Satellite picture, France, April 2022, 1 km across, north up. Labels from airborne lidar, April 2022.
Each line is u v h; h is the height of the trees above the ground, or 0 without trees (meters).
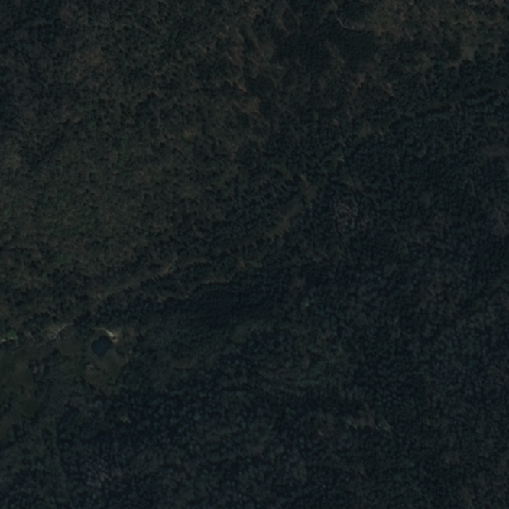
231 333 17
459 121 24
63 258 16
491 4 26
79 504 23
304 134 29
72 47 7
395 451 32
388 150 27
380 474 30
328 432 12
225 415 20
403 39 28
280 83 19
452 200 26
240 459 14
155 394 16
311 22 26
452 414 21
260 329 17
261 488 22
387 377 22
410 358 22
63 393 24
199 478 9
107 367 0
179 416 10
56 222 9
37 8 15
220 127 31
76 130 26
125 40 19
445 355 24
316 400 8
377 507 27
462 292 28
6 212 18
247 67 24
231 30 14
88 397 7
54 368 14
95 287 7
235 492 25
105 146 27
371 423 26
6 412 9
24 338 25
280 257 23
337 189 32
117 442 18
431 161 25
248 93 22
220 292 17
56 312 7
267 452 15
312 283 18
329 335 31
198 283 30
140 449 25
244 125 22
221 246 27
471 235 20
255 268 25
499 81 32
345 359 26
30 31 19
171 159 27
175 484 26
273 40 19
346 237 7
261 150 20
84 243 22
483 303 20
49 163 20
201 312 19
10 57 30
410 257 22
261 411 29
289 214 27
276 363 7
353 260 22
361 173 31
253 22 21
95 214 25
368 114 23
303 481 27
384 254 26
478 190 20
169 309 20
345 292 23
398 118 36
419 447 31
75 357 0
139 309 29
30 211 23
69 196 21
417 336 27
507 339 17
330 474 23
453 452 24
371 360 23
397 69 24
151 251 26
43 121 18
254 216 28
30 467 16
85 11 19
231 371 29
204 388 9
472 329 26
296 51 24
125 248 25
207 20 17
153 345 13
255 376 7
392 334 26
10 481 24
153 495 24
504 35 24
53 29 23
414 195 25
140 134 22
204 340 11
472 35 18
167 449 22
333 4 6
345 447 30
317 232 33
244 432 32
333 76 27
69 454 31
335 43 17
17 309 18
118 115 18
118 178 19
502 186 25
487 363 19
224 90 26
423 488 28
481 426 25
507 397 23
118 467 25
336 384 12
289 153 32
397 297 27
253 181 29
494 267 27
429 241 28
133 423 0
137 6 27
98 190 23
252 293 13
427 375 28
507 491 27
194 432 25
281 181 30
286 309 26
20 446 21
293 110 21
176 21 23
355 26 18
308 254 14
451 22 27
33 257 33
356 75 16
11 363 0
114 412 16
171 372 16
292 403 11
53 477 9
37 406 0
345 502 29
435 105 29
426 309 25
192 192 8
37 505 17
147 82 28
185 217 21
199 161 27
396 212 28
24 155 14
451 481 14
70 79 17
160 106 31
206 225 26
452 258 24
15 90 21
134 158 21
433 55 31
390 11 20
